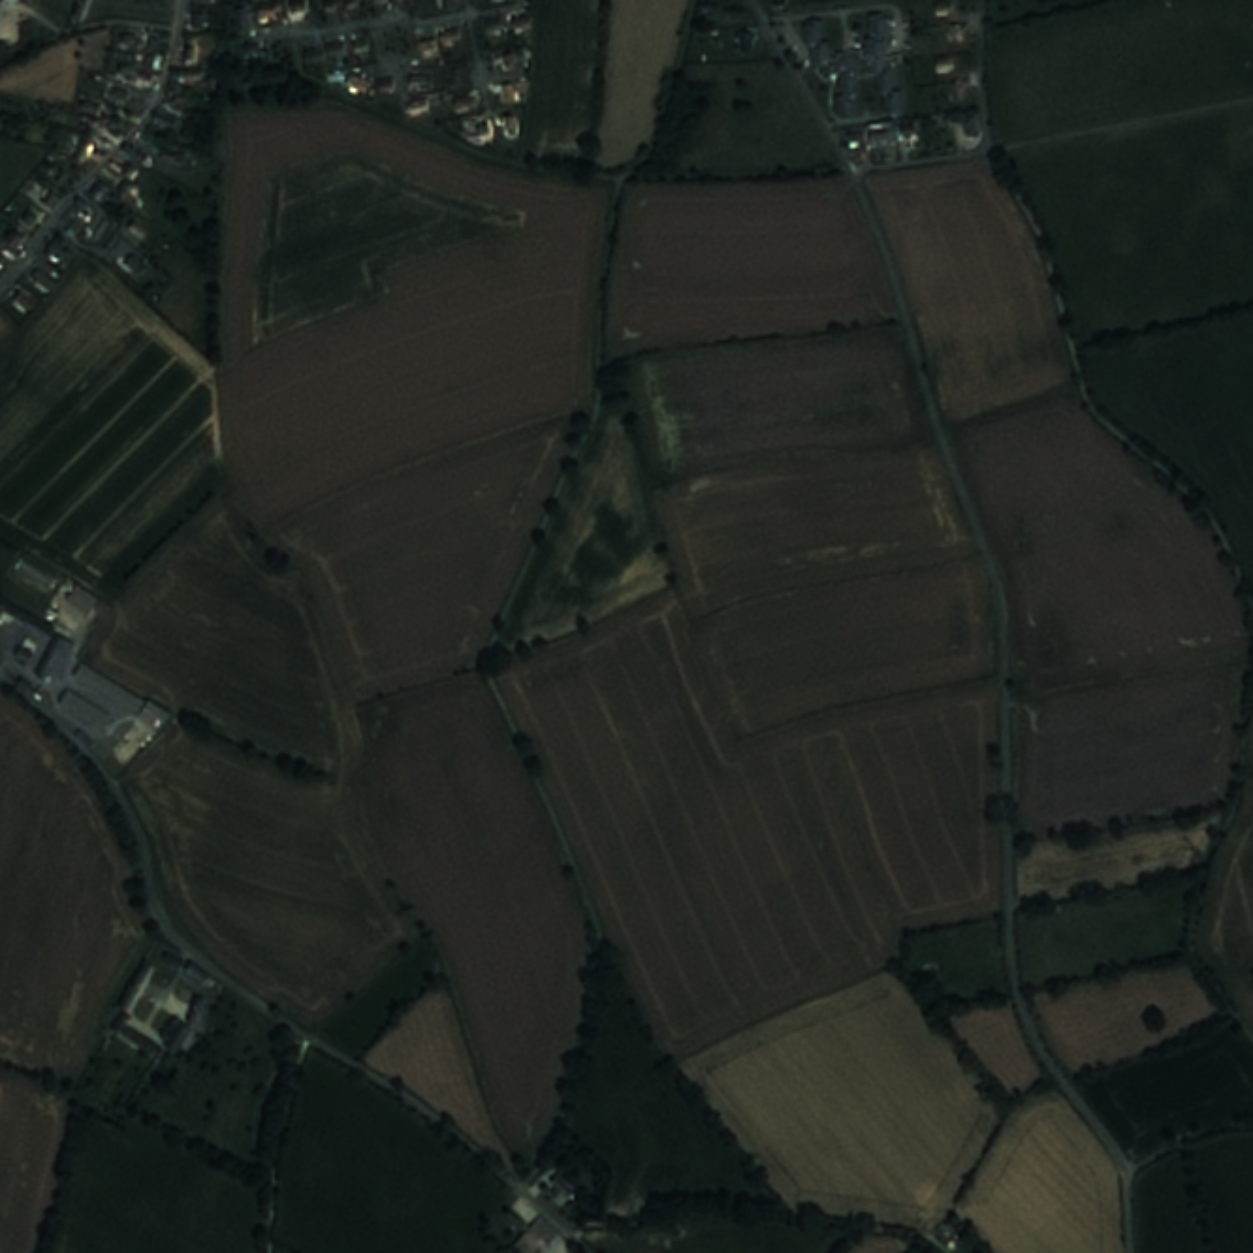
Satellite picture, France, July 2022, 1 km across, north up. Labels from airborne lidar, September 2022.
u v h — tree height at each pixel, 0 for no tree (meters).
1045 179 0
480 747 0
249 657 0
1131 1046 0
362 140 0
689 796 0
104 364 0
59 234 10
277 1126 19
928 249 0
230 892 0
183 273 0
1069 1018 0
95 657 0
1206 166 0
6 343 0
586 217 0
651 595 0
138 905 16
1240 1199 0
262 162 0
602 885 0
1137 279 0
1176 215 0
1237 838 0
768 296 0
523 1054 0
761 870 0
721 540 0
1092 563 0
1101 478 0
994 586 0
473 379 0
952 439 0
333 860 0
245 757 11
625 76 0
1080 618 0
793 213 0
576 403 0
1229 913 0
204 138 0
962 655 0
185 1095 0
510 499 0
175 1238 0
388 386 0
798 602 0
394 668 0
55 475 0
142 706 0
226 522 0
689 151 0
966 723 0
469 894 0
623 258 0
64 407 0
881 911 0
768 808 0
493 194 0
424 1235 0
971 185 0
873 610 0
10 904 0
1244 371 0
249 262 0
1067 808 0
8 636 0
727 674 0
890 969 8
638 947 0
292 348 0
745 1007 0
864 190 0
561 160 13
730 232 0
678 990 0
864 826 0
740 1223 13
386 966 0
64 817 0
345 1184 0
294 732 0
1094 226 0
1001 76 0
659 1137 0
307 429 0
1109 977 12
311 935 0
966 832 0
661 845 0
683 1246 0
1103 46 0
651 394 0
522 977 0
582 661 0
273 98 15
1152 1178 0
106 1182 0
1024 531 0
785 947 0
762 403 0
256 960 0
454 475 0
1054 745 0
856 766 0
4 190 0
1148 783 0
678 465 0
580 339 0
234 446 0
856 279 0
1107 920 0
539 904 0
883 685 0
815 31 0
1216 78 0
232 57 7
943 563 0
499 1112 0
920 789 0
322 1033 0
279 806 0
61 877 0
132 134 0
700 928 0
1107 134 0
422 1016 0
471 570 0
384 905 0
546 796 0
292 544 0
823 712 0
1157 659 0
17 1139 0
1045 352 0
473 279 0
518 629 0
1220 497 0
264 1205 14
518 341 0
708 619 0
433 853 0
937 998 13
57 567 0
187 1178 0
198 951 0
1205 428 0
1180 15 0
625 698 0
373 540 0
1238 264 0
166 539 7
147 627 0
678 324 0
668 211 0
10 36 0
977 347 0
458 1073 0
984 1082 12
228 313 0
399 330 0
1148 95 0
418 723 0
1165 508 0
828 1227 8
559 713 0
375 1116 0
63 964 0
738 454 0
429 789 0
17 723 0
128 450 0
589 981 17
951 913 0
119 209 7
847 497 0
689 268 0
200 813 0
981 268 0
